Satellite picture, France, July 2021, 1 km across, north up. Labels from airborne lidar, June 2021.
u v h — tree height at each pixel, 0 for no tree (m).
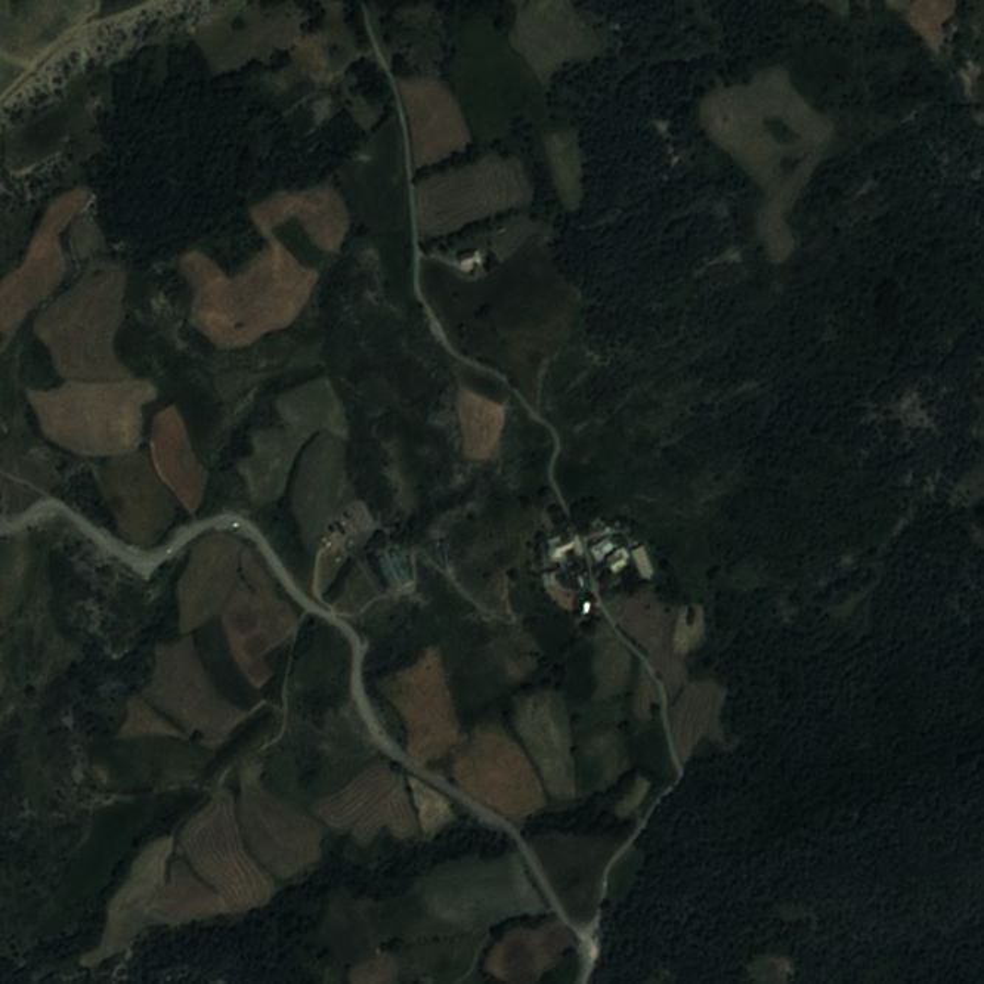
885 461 8
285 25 0
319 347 0
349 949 0
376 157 0
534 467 0
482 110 0
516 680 0
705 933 9
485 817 0
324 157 10
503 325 0
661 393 0
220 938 14
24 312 0
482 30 0
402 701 0
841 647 7
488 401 0
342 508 0
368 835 0
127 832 0
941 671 13
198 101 11
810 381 6
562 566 7
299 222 0
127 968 8
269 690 6
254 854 0
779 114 0
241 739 7
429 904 0
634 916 14
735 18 10
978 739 11
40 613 0
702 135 7
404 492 0
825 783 9
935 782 7
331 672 0
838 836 8
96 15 0
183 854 0
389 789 0
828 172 8
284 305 0
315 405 0
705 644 0
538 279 0
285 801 0
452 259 0
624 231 9
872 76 6
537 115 0
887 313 15
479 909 0
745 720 10
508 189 0
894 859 9
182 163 6
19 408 0
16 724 0
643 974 7
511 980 0
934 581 7
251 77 10
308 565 0
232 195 16
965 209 8
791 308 9
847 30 6
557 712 0
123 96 9
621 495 0
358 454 0
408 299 0
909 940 6
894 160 7
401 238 0
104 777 0
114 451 0
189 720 0
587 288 6
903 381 8
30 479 0
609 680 0
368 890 13
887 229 12
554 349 0
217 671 0
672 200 9
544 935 0
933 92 10
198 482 0
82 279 0
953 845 9
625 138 8
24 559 0
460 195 0
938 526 12
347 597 0
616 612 0
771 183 0
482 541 0
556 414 0
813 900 9
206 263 0
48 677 0
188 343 0
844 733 11
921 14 0
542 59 0
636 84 12
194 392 0
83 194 0
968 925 6
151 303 0
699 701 0
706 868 10
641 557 0
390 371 0
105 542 0
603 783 0
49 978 7
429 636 0
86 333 0
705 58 7
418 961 0
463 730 0
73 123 0
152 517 0
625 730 10
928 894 9
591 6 6
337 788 0
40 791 0
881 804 12
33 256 0
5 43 0
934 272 7
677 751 0
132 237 8
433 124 0
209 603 0
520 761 0
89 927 7
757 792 12
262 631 0
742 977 10
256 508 0
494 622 0
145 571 0
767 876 11
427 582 0
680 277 6
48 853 0
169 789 0
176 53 13
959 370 10
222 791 0
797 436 10
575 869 0
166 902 0
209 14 0
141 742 0
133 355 0
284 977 6
